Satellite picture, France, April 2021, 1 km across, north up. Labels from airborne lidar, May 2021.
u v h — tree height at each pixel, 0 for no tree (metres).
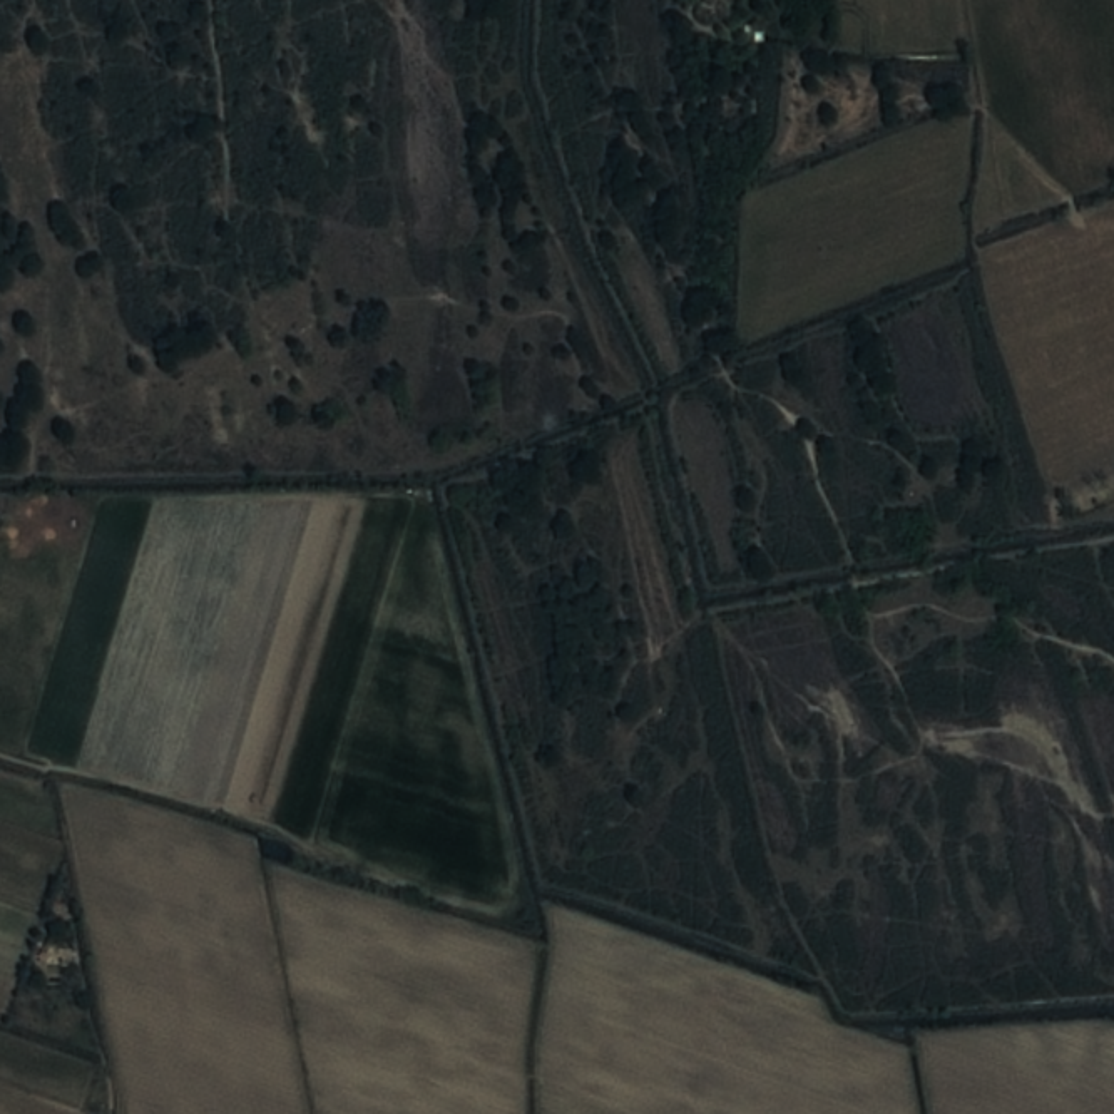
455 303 0
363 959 0
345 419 9
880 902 0
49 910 9
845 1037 0
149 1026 0
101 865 0
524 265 0
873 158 0
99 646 0
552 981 0
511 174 11
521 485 18
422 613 0
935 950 0
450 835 0
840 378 0
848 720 0
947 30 0
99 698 0
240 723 0
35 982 14
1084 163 0
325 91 9
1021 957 0
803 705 0
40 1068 0
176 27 10
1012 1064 0
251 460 0
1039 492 6
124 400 0
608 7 9
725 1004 0
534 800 0
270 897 0
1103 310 0
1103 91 0
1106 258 0
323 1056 0
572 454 9
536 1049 0
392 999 0
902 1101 0
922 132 0
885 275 0
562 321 0
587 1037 0
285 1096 0
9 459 17
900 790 0
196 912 0
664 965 0
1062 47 0
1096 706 0
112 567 0
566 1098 0
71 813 0
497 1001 0
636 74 0
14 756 0
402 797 0
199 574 0
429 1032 0
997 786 0
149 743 0
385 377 14
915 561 7
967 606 0
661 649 0
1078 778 0
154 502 0
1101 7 0
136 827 0
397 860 0
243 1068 0
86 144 6
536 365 0
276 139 8
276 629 0
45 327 0
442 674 0
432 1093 0
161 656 0
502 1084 0
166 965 0
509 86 0
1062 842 0
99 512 0
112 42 10
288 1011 0
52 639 0
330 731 0
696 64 10
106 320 0
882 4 0
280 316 0
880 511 8
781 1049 0
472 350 0
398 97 0
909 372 0
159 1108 0
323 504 0
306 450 0
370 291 0
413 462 0
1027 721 0
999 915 0
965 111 9
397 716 0
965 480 12
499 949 0
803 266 0
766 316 0
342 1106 0
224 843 0
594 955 0
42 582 0
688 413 0
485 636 7
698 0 10
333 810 0
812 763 0
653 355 7
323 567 0
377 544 0
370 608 0
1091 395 0
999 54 0
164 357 14
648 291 0
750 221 0
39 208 0
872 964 0
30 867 0
